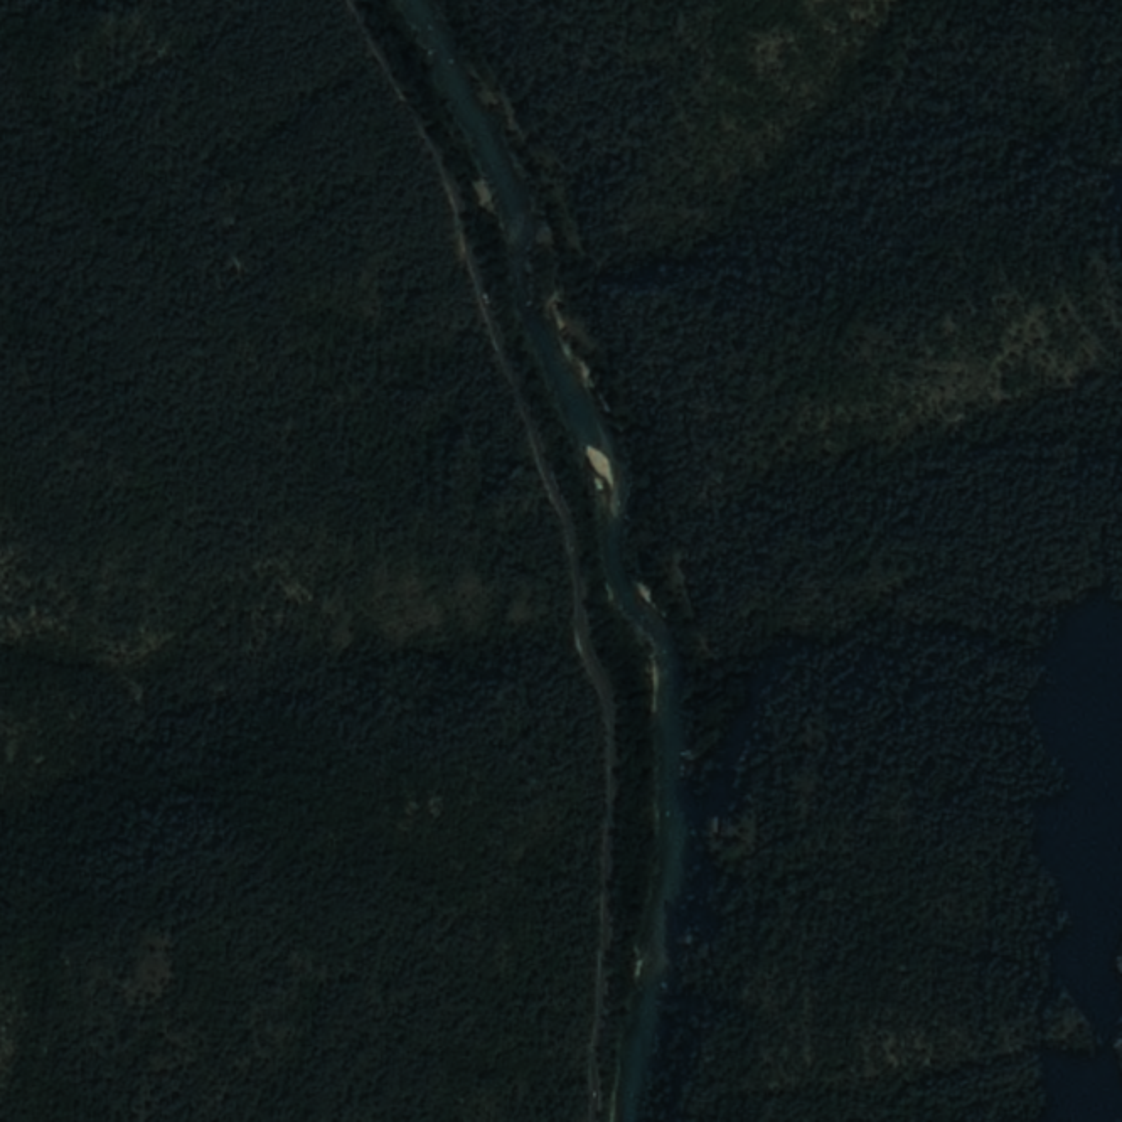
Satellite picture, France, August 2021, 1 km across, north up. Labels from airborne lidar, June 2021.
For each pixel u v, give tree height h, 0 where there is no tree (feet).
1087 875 30
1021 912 25
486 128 0
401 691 46
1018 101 43
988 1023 30
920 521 49
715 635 41
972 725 35
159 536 36
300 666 66
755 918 25
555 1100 42
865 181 40
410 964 37
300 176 47
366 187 29
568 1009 22
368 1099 54
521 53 66
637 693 31
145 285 31
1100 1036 35
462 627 26
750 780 42
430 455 41
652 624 0
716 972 27
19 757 30
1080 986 38
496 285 74
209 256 51
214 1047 36
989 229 29
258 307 43
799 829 24
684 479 54
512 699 57
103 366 38
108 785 33
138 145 30
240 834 33
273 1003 30
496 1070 23
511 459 66
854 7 23
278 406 25
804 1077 21
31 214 33
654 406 68
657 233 31
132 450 33
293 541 35
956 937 20
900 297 26
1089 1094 32
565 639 40
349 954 30
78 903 30
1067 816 42
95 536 22
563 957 32
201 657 33
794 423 25
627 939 56
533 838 40
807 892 20
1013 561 40
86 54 29
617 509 0
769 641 66
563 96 47
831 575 26
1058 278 28
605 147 34
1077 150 29
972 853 48
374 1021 47
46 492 30
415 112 46
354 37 45
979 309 31
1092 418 30
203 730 48
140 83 51
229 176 49
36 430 33
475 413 58
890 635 46
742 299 57
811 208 36
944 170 34
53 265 49
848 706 30
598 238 37
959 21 20
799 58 17
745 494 33
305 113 54
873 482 26
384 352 40
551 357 0
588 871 41
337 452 45
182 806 24
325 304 28
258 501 29
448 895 31
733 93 21
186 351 42
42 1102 24
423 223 40
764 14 28
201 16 41
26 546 46
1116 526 46
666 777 0
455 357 40
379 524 24
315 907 46
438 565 20
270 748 31
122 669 21
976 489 33
